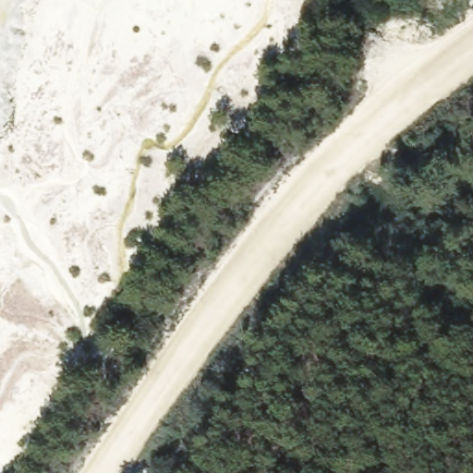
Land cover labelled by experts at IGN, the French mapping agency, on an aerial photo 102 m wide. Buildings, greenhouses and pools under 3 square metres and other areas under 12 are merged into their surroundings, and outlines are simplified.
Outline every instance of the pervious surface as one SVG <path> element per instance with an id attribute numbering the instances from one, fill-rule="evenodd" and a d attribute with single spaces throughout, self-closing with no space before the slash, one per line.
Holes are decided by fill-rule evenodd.
<path id="1" fill-rule="evenodd" d="M 425 111 L 429 111 L 434 103 L 447 98 L 460 85 L 473 78 L 473 9 L 467 9 L 466 18 L 451 30 L 445 31 L 443 35 L 432 33 L 431 24 L 419 24 L 416 17 L 392 18 L 381 24 L 375 33 L 368 33 L 364 42 L 364 68 L 357 74 L 349 102 L 355 107 L 355 111 L 346 116 L 340 122 L 340 126 L 321 140 L 318 146 L 305 153 L 305 159 L 301 155 L 286 157 L 285 163 L 281 164 L 281 168 L 273 174 L 272 179 L 266 181 L 255 194 L 257 209 L 249 218 L 249 224 L 220 255 L 205 285 L 198 290 L 198 296 L 183 309 L 183 316 L 177 321 L 176 331 L 163 334 L 163 347 L 157 349 L 155 357 L 148 360 L 148 366 L 144 368 L 144 373 L 135 384 L 135 388 L 129 392 L 126 403 L 120 406 L 115 416 L 105 419 L 107 429 L 100 434 L 98 442 L 87 445 L 85 451 L 74 458 L 74 473 L 120 473 L 126 462 L 133 462 L 139 458 L 139 453 L 144 447 L 159 421 L 170 410 L 170 406 L 176 403 L 177 397 L 187 388 L 190 381 L 198 377 L 212 349 L 220 342 L 236 318 L 242 314 L 244 307 L 253 303 L 253 299 L 259 296 L 262 286 L 270 279 L 273 270 L 285 264 L 286 257 L 292 253 L 297 242 L 309 233 L 323 216 L 323 212 L 327 211 L 327 207 L 334 200 L 336 192 L 346 188 L 349 177 L 360 172 L 366 177 L 366 181 L 375 185 L 381 183 L 379 163 L 382 152 L 397 152 L 392 139 L 397 135 Z"/>
<path id="2" fill-rule="evenodd" d="M 98 316 L 103 301 L 113 294 L 113 290 L 120 283 L 122 273 L 129 270 L 131 257 L 137 253 L 137 249 L 127 248 L 127 233 L 135 227 L 144 229 L 159 224 L 161 200 L 166 190 L 176 183 L 176 176 L 166 172 L 168 155 L 181 146 L 192 159 L 207 157 L 222 142 L 222 135 L 231 126 L 231 116 L 236 109 L 248 107 L 249 103 L 255 103 L 257 100 L 257 68 L 264 50 L 268 46 L 283 46 L 288 30 L 294 28 L 299 20 L 305 0 L 0 0 L 0 473 L 2 473 L 4 467 L 15 456 L 26 449 L 26 434 L 33 431 L 35 419 L 41 416 L 42 406 L 48 405 L 50 401 L 50 394 L 61 371 L 59 357 L 67 353 L 68 349 L 72 349 L 83 336 L 91 334 L 91 321 Z"/>

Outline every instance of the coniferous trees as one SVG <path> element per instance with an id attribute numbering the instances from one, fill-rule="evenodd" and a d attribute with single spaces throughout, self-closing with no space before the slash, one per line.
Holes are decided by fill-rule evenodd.
<path id="1" fill-rule="evenodd" d="M 355 111 L 355 107 L 349 102 L 357 74 L 364 68 L 364 42 L 368 33 L 375 33 L 381 24 L 392 18 L 416 17 L 421 0 L 305 0 L 299 20 L 294 28 L 288 30 L 283 46 L 268 46 L 264 50 L 257 68 L 257 100 L 255 103 L 249 103 L 248 107 L 236 109 L 231 116 L 231 126 L 222 135 L 222 142 L 207 157 L 192 159 L 181 146 L 168 155 L 166 172 L 176 176 L 176 183 L 166 190 L 161 200 L 159 224 L 144 229 L 135 227 L 127 233 L 127 248 L 137 249 L 137 253 L 131 257 L 129 270 L 122 273 L 120 283 L 113 290 L 113 294 L 103 301 L 98 316 L 91 321 L 91 334 L 83 336 L 72 349 L 68 349 L 67 353 L 59 357 L 61 371 L 50 394 L 50 401 L 48 405 L 42 406 L 41 416 L 35 419 L 33 431 L 26 434 L 26 449 L 15 456 L 4 467 L 2 473 L 74 473 L 74 458 L 85 451 L 87 445 L 98 442 L 100 434 L 107 429 L 105 419 L 115 416 L 120 406 L 126 403 L 129 392 L 135 388 L 135 384 L 144 373 L 144 368 L 148 366 L 148 360 L 146 351 L 142 351 L 146 338 L 152 338 L 159 327 L 164 329 L 164 316 L 172 310 L 177 297 L 183 296 L 185 288 L 192 283 L 192 275 L 198 272 L 198 262 L 203 261 L 205 253 L 211 249 L 220 255 L 249 224 L 249 218 L 257 209 L 255 194 L 266 181 L 272 179 L 273 174 L 281 168 L 281 164 L 285 163 L 286 157 L 301 155 L 305 159 L 305 153 L 318 146 L 321 140 L 340 126 L 340 122 L 346 116 Z"/>
<path id="2" fill-rule="evenodd" d="M 240 342 L 238 346 L 224 346 L 220 342 L 212 349 L 198 377 L 201 381 L 216 386 L 200 408 L 200 425 L 192 427 L 185 434 L 185 438 L 164 443 L 152 453 L 144 447 L 139 453 L 139 458 L 133 462 L 126 462 L 120 473 L 473 473 L 473 120 L 458 133 L 458 137 L 447 129 L 432 142 L 431 146 L 410 148 L 397 135 L 392 139 L 397 152 L 382 152 L 379 163 L 382 166 L 394 166 L 394 174 L 388 177 L 394 183 L 394 200 L 390 207 L 373 196 L 364 205 L 349 205 L 347 211 L 336 218 L 323 216 L 309 233 L 297 242 L 292 253 L 286 257 L 285 264 L 273 270 L 270 279 L 262 286 L 259 296 L 253 299 L 253 303 L 255 329 L 251 344 L 248 346 Z"/>

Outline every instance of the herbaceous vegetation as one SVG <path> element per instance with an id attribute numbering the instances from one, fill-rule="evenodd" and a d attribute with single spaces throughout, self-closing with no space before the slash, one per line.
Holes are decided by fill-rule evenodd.
<path id="1" fill-rule="evenodd" d="M 176 403 L 170 406 L 170 410 L 159 421 L 144 447 L 152 453 L 164 443 L 185 438 L 185 434 L 192 427 L 200 425 L 200 408 L 216 386 L 201 381 L 198 377 L 190 381 L 187 388 L 177 397 Z"/>
<path id="2" fill-rule="evenodd" d="M 224 346 L 238 346 L 240 342 L 248 346 L 251 344 L 255 329 L 253 303 L 244 307 L 242 314 L 236 318 L 220 342 Z"/>
<path id="3" fill-rule="evenodd" d="M 323 212 L 323 216 L 336 218 L 347 211 L 349 205 L 364 205 L 373 196 L 390 207 L 394 200 L 394 183 L 388 177 L 394 174 L 394 166 L 382 166 L 379 163 L 381 183 L 375 185 L 366 181 L 366 177 L 360 172 L 349 177 L 346 188 L 336 192 L 334 200 L 327 207 L 327 211 Z"/>
<path id="4" fill-rule="evenodd" d="M 183 309 L 198 296 L 198 290 L 205 285 L 220 255 L 211 249 L 205 253 L 203 261 L 198 262 L 198 272 L 192 275 L 192 283 L 185 288 L 183 296 L 177 297 L 172 310 L 164 316 L 164 329 L 159 327 L 152 338 L 146 338 L 142 351 L 146 351 L 148 360 L 155 357 L 157 349 L 163 347 L 163 334 L 176 331 L 177 321 L 183 316 Z"/>
<path id="5" fill-rule="evenodd" d="M 473 0 L 421 0 L 416 17 L 419 24 L 431 24 L 432 33 L 443 35 L 445 31 L 451 30 L 466 18 L 467 9 L 473 9 Z"/>

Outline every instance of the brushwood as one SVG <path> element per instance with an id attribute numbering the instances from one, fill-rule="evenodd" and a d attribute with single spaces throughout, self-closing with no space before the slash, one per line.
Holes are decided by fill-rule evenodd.
<path id="1" fill-rule="evenodd" d="M 429 111 L 425 111 L 397 135 L 410 148 L 431 146 L 432 142 L 447 129 L 458 137 L 458 133 L 473 120 L 473 78 L 460 85 L 447 98 L 434 103 Z"/>

